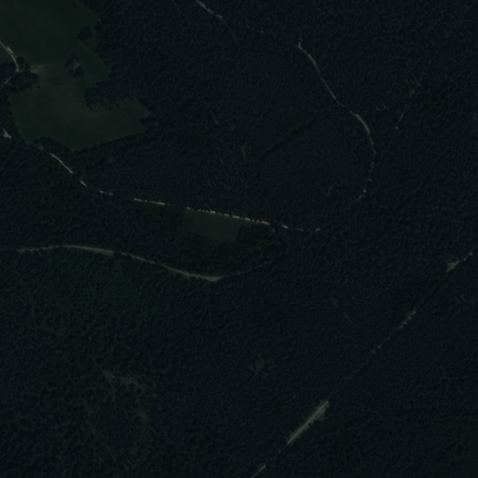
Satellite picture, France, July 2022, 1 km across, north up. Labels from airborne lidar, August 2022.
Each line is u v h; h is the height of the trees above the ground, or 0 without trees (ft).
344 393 75
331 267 82
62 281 32
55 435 51
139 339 55
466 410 39
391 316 72
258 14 73
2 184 56
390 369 73
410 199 61
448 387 26
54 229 57
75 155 40
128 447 45
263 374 67
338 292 49
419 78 51
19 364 99
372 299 81
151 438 21
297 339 74
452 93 37
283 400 75
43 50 0
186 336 74
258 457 42
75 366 57
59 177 30
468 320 66
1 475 55
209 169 68
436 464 34
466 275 52
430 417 44
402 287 45
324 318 73
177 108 29
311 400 55
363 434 68
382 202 79
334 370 79
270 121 60
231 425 91
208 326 58
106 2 25
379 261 85
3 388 114
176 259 59
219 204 64
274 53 54
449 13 111
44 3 0
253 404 79
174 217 33
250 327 77
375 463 43
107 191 64
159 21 79
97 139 0
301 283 67
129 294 27
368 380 83
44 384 30
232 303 72
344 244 137
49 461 60
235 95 110
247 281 70
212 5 84
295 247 53
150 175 74
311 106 65
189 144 83
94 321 43
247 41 75
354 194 117
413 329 75
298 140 57
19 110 0
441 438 35
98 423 43
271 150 72
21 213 46
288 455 80
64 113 0
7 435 43
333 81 102
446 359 60
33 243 79
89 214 53
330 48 117
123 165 66
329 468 57
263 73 62
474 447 40
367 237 90
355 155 33
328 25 90
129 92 96
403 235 65
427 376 74
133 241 81
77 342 68
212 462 38
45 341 65
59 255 32
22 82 73
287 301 66
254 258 70
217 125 84
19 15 0
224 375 75
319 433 66
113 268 26
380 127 113
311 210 135
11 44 0
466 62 92
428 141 26
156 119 82
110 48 79
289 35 76
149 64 92
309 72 94
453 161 64
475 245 54
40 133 0
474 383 85
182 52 86
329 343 59
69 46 0
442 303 61
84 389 42
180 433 92
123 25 55
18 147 28
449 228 103
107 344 78
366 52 98
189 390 107
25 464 59
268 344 76
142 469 32
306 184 68
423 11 99
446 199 56
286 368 65
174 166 77
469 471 39
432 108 22
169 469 30
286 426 76
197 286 73
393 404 63
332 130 67
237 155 57
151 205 21
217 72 93
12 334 62
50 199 18
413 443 44
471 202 58
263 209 67
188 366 64
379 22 41
